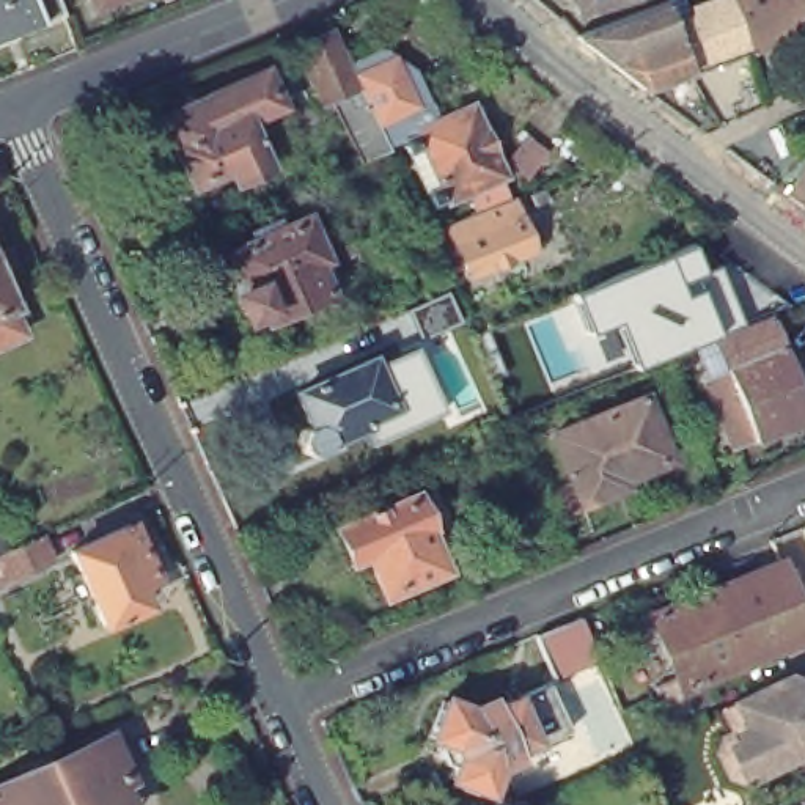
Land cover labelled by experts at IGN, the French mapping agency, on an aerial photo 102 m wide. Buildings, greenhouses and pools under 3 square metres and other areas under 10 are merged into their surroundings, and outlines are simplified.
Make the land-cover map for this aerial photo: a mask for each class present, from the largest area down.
<instances>
[{"label":"deciduous trees","instance_id":"1","mask_svg":"<svg viewBox=\"0 0 805 805\"><path fill-rule=\"evenodd\" d=\"M343 25L355 35L352 47L358 60H368L371 53L384 50L393 53L399 38L409 35V28L415 25V47L425 57L453 60L456 72L475 91H484L491 97L500 91L503 82L516 79L519 66L497 38H481L472 31V25L462 19L453 0H365L343 13ZM748 69L755 79V91L767 107L777 97L805 101V22L786 38H780L770 57H752ZM321 53V44H277L274 60L280 63V69L289 79H308L311 63ZM198 97L192 91H173L167 85L132 88L123 69L104 72L97 85H82L75 110L66 113L63 129L72 138V170L88 182V204L82 208V214H88L97 223L135 318L151 327V336L160 340V346H154L151 352L167 380V390H173L182 399H201L217 390L233 393L248 380L283 371L286 362L311 349L330 343L355 346L371 330H380V321L409 311L412 302H425L437 292H447L453 286L450 267L462 261L453 245L450 226L469 220L472 208H434L425 182L412 167V157L403 148H396L390 157L377 164H362L358 148L352 142L333 138L327 145L333 154L327 164H314L311 176L292 173L286 179L280 186L261 189H239L236 182H230L208 195H198L189 179L192 164L179 132L189 123L186 104ZM308 214L318 217L330 236L336 233L333 258L336 289L343 292V299L340 305L318 311L311 324H292L286 330L252 327L236 302V274L252 258L248 242L261 223H274L280 217L292 223ZM563 135L572 138V157L566 160L553 173H535L522 182V192L553 195L560 189L613 186V179H619L623 170L638 164L623 148L610 145L585 119L569 113L563 119ZM780 132L786 135V157L805 160V113L783 116ZM648 192L660 195V201L670 204L673 214L667 220L679 223L686 233L708 236H720V220L698 211L686 192H679L663 176H654L648 182ZM638 270L657 267L679 255L651 226L641 236L638 252L632 255ZM41 311L66 314L69 308L72 277L57 264H41L35 267ZM481 308L465 318V324L472 333H484L494 336L525 327V318L547 314L569 302L572 296L591 292L585 286V277L572 280L569 286H538L535 277L506 274L503 280H484L472 286ZM635 384L645 393L641 399H651L663 415L670 412L673 437L679 443L686 469L651 478L632 497V509L641 519L657 522L663 516H686L689 503H701L704 509H711L730 487L733 475L723 465L720 443V418H711L689 399L679 365L673 358L648 371H632L629 365L601 371L566 390H553L560 406L535 415L513 418L509 406L484 409V415L462 421L456 428L462 437L472 440L462 456L443 453L440 459H421L412 469H396L384 478L362 481L349 491L324 494L302 513H283L274 497L292 491L296 481L314 472L318 465L299 447L302 434L296 428H277L267 418L236 415L230 406H220L214 412V421H208L201 431V443L217 469V478L226 491V500L242 531L236 550L245 560L255 582L267 588L299 582L314 553L321 550V544H327L336 535L343 522L387 513L412 494H428L434 500L443 519V538L450 547L456 579L418 597L390 604L384 616L365 626H352L346 632L327 613L311 610L302 601L270 604L267 619L277 629V657L286 667L289 679L305 682L330 670L333 660H355L352 651L362 654L365 641L371 638L380 641L418 623H431L443 613L481 604L525 579L550 575L553 569L569 566L575 553L566 525V509L557 494L544 486L531 461L535 453L547 450V431H566L594 415L588 412L591 403L616 396ZM19 390L38 396V418H60V434H82L85 447L104 443L110 450V459H119L132 447L119 425V412L107 393L97 409L82 415L69 409L60 412L57 393H63V380L53 371L19 377ZM0 469L16 481L41 491L47 484L66 481V475L60 469L47 472L41 453L35 447H25V440L0 437ZM38 525V509L16 500H6L0 506V557L6 550L28 547L31 541L28 531ZM714 585V579L701 569L686 572L676 582H670L667 591L615 608L613 619L604 623V638L591 641L597 670L604 679L619 711L638 714L645 739L660 755H676L682 761V770H689L701 764L704 726L723 714L730 708L726 701L704 698L695 695L686 701H673L663 695L645 692L635 682L641 663H648L645 648L654 645L657 610L673 604L682 610H698L711 601ZM22 597L6 601L0 607V761L13 764L31 752H47L75 730L110 720L126 714H138L142 720L154 714L167 723H173L176 717L189 720L192 733L179 745L160 739L151 748V770L164 786L189 780L192 770L208 758L217 774H211L208 792L195 805H286L283 792L258 786L255 777L239 764V758L252 748L255 726L248 717L239 714V708L226 695L211 692V679L220 676V667L226 663L220 645L208 635V651L189 660L186 667H176L160 679L132 682L157 663L154 651L148 648V638L135 629H126L119 635L123 648L110 660V667L82 663L72 651H69V632H72V629L66 613L60 610L57 575L50 572L35 585H22ZM412 695L368 701L365 708H352L327 720L324 752L343 758L349 786H358L362 802L371 805H528L516 802L506 792L500 802L472 796L456 786L447 764L418 761L428 736L412 726V714L406 711V701ZM380 767H393L399 774L396 786L390 792L362 789L365 780L374 777V770ZM767 805H805V767L774 777L767 783ZM626 805H667L663 783L645 770L619 789Z\"/></svg>","mask_w":805,"mask_h":805},{"label":"building","instance_id":"2","mask_svg":"<svg viewBox=\"0 0 805 805\"><path fill-rule=\"evenodd\" d=\"M57 13H66V0H0V44L38 31L57 19ZM107 19L123 9L129 13L173 0H94ZM582 13L601 31L597 38H588L579 50L585 60L607 66V72L616 75L619 85L632 82L641 94H676V85H686L698 69H708V60H726L736 53L752 57H770L780 38H786L805 22V0H579ZM311 97L324 101V107L330 110L346 113L352 126V142L358 148L362 164H377L390 157L396 148H403L412 157V167L425 182L434 208H472L469 220L450 226L453 245L462 261L472 286L484 280H503L506 274L509 261H535L541 248L535 223L509 192L513 182H522L535 173H553L566 160L553 145L541 148L531 135L516 142V154H503V145L487 113L478 104H469L450 116L437 113L421 72L406 66L393 53L384 50L371 53L368 60H358L352 47L333 35H327V41L321 44V53L311 63L308 79ZM292 110L280 94L277 69H264L252 79L198 97L186 104L189 123L179 132L192 164L189 179L198 195H208L230 182H236L239 189H261L280 186L286 179L280 167L289 157V142L280 119ZM783 170V198L796 195L799 201H805V160L786 157H777ZM336 233L330 236L318 217L308 214L292 223L280 217L274 223H261L248 242L252 258L236 274V302L252 327L286 330L292 324H311L318 311L340 305L343 299V292L336 289L333 258ZM569 302L579 305L582 324L601 343L610 330L623 333V355L629 365L632 371H648L673 358L679 365L689 399L711 418H720V443L730 450H745L792 443L805 437V346L796 352L789 349L780 321L748 324L730 274L723 267H711L704 252L698 248L679 255L657 267L638 270L591 292L572 296ZM28 340V305L13 270V261H0V346L16 349ZM418 321V336L443 340V333L453 330L465 324V318L456 296L447 292H437L425 302H412L409 311ZM484 352L491 355L469 371L472 380L487 368H494L500 377L506 374L494 336L484 333ZM296 393L308 415V428L302 434L299 447L318 465L343 456L349 443L362 440L365 434H374L377 447H387L431 421H443L456 406L443 396L428 358L421 352H412L396 362L377 355L349 368L330 358L318 368L314 377H296ZM547 450L553 453L560 475L569 481L557 494L566 509L591 516L601 513L607 503L632 497L651 478L686 469L679 443L673 437L670 412L663 415L651 399H641L594 415L566 431H547ZM336 535L352 566L371 569L384 591V601L390 604L418 597L456 579L450 547L443 538V519L434 500L428 494H412L387 513L343 522ZM63 550L72 557V566L88 585L97 623H101V626H104V629H107L110 635H119L126 629H135L154 616L151 607L160 601V591L170 579L160 569V560L151 547L145 525H129L97 541L82 550L75 538H63ZM60 553L50 547V541H31L28 547L6 550L0 557V607L6 601L22 597V585H35L50 572L60 563ZM660 660L673 673V682L663 695L673 701H686L695 695L704 698L711 689L723 682L752 679L770 676L774 667H786V660L805 654V585L796 566L786 560L739 575L726 585H714L711 601L698 610H682L673 604L657 610L654 645ZM604 623H572L535 638L538 657L550 676H566L572 682L582 670H597L591 641L604 638ZM723 714L730 720V733L720 745V761L730 780L767 783L774 777L805 767V676H789L742 701L730 708ZM585 708L582 720L569 717L560 692L547 686L531 689L519 701H453L437 714L434 730L428 736L418 761L447 764L456 786L472 796L500 802L506 792L513 777L535 770L528 764L531 752H538L553 733H572L575 723L588 733V742L601 761H604L629 748L632 742L645 739L638 714L619 711L604 679L579 692ZM151 796L142 789L138 777H132V758L123 736L113 733L53 764L35 767L0 783V805H145Z\"/></svg>","mask_w":805,"mask_h":805},{"label":"impervious surface","instance_id":"3","mask_svg":"<svg viewBox=\"0 0 805 805\"><path fill-rule=\"evenodd\" d=\"M365 0H208L198 9L167 16L148 28L123 31L113 44L79 50H53L44 69L25 72L13 66L0 75V208L16 217L22 239L41 242V264H57L72 277L69 308L107 393L119 412V425L132 447L148 475V494L110 513L94 519V525H85L94 531L97 541L129 525H145L151 547L160 560V569L170 579L189 588V597L208 635L220 645L226 663L233 667L248 698L239 708V714L248 717L255 726L252 748L239 758V764L255 777L258 786L283 792L286 805H371L362 802L358 786H349L343 758L324 752L327 720L352 708H365L368 701L412 695L421 692V682H431L450 667H456L462 660L500 648L513 651L519 641L535 638L572 623H604L613 619L615 608L667 591L670 582H676L686 572L701 569L714 579V585H726L739 575L786 560L796 566L805 585V465L789 472H770L745 484V491L739 494H733L730 487L711 509H704L701 503H689L686 516H663L657 522L641 519L626 522L629 528L619 535L604 531V541L575 553L569 566L553 569L550 575L525 579L481 604L443 613L431 623H418L380 641L371 638L365 641L362 654L352 651L355 660H333L330 670L305 682L289 679L286 667L277 657V629L267 619L270 604L267 588L255 582L245 560L236 550L242 531L226 500V491L217 478V469L201 443V431L208 421H214V412L220 406H230L236 415L267 418L277 428H296L302 434L308 428V415L296 393V377H314L318 368L330 358L349 368L377 355L396 362L412 352H421L428 358L443 346L453 358L462 355L453 330L443 333V340L418 336V321L409 311L380 321V330H371L355 346L330 343L311 349L286 362L283 371L248 380L233 393L217 390L201 399H182L173 390H167V380L151 352L154 346H160V340L151 336V327L135 318L97 223L88 214H82V208L88 204V182L72 170V138L63 129L66 113L75 110L82 85H97L104 72L123 69L135 66L142 57L160 53L204 60H223L255 44H321L327 41V35H333L352 47L355 35L343 25V13ZM462 19L472 25V31L481 38H497L519 66L550 94L560 91L563 97H569V113L585 119L610 145L623 148L638 164L654 176H663L679 192H686L698 211L720 220V236H708L698 248L704 252L711 267H723L730 274L748 324L780 321L789 349L796 352L805 346V201H799L796 195L783 198V170L777 157H786V135L780 132L783 116L805 113V101L777 97L767 107L755 91V79L748 69L752 57L736 53L726 60H708V69H698L686 85H676V101L689 107L698 101V88H711L717 107L723 110V126L717 132H701L673 110H667L657 101V94H641L632 82L619 85L616 75L607 72V66L585 60L579 50L588 38L575 35L538 0H453ZM509 192L535 223L541 248L535 261H509L506 274L535 277L544 267L569 261L566 236L553 233V195L522 192V182H513ZM538 324H553L563 346L569 352H579L585 362L572 374L544 380L547 390H566L601 371L629 365L623 355V333L610 330L601 343L582 324L579 305L569 302L547 314L525 318V327L528 333ZM484 415V399L478 393L472 406H456L443 421L447 428H456L462 421ZM101 638H110V635L107 629H104V626H101V623H97V626H79V629H72V632H69V651H75V648H85V645H94V641H101ZM789 676H805V654L786 660V667H774L770 676L752 679L739 692L742 701ZM604 679L597 670H582L572 682L566 676H550L547 686L560 692L569 717L582 720L585 708L579 692ZM113 733L123 736L132 758V777H138L142 789L151 796L145 805H160L157 792L164 786L151 770V748L160 739L179 745L192 733L189 720L176 717L173 723H167L154 714L142 720L138 714H126L110 720ZM601 761L588 742V733L575 723L572 733H553L538 752H531L528 764L535 770L513 777L506 792L516 802L528 805H560V777H569Z\"/></svg>","mask_w":805,"mask_h":805},{"label":"herbaceous vegetation","instance_id":"4","mask_svg":"<svg viewBox=\"0 0 805 805\"><path fill-rule=\"evenodd\" d=\"M53 50H79L66 13H57V19L38 31L0 44V75L13 66L25 72L44 69ZM415 25L409 28V35L399 38L393 53L406 66L421 72L437 113L450 116L469 104H478L487 113L503 145V154H516V142L531 135L541 148L553 145L566 160L572 157V138L563 135V119L569 113V97H563L560 91L550 94L519 66L516 79L503 82L500 91L491 97L484 91H475L456 72L453 60L425 57L415 47ZM208 63L204 60L160 53L142 57L135 66L123 69L132 88L167 85L173 91H192L198 97L252 79L264 69H280V63L274 60H258L233 72H220L214 79H195L198 66ZM657 101L667 110H673L701 132H717L723 126V110L717 107L711 88H698V101L689 107L676 101V94H657ZM289 142V157L280 167L286 179L292 173L311 176L314 164H327L333 154L327 145L333 138L352 142V126L346 113L330 110L324 107V101L311 97L305 110H292L280 119ZM654 176L638 164L623 170L619 179H613V186L560 189L553 195V233L566 236L569 261L544 267L535 277L538 286H569L572 280L585 277V286L591 292L638 270L632 255L638 252L641 236L651 226L679 255L698 248L708 236L686 233L679 223L667 220L673 214L670 204L660 201V195L648 192V182ZM13 261V270L28 305V340L16 349L0 346V437L25 440V447H35L41 453L47 472L60 469L66 475V481L47 484L41 491L16 481L0 469V506L6 500H16L38 509V525L28 531L31 541H50V547L60 553L63 550V538H75L82 550L97 541L94 531L85 525H94V519L110 513L101 497L113 487L132 484V478L119 469V459H110V450L104 443L85 447L82 434H60V418H38V396L19 390V377L53 371L63 380V393H57L60 412L69 409L82 415L97 409L107 393L69 308L66 314L41 311L35 267L41 264V242L22 239L16 217L0 208V261ZM462 355L469 371L491 355L484 352V333H472L465 324L453 330ZM506 374L500 377L494 368H487L472 380L478 393L484 399V409L509 406L513 418L535 415L560 406L553 390H547L544 380L528 333L525 327L494 336ZM645 393L635 384L616 396L591 403L588 412L594 415L641 399ZM472 440L462 437L456 428H447L443 421H431L387 447H377L374 434H365L362 440L349 443L343 456L318 465L314 472L296 481L292 491L274 497L283 513H302L324 494L349 491L362 481L384 478L396 469H412L421 459H440L443 453L462 456ZM805 450V437L792 443L745 450V469ZM531 461L544 486L557 494L569 481L560 475L553 453L547 450L535 453ZM641 519L632 509V497L607 503L601 513L591 516L566 509V525L575 553L604 541V531L619 535L629 528L626 522ZM270 604L302 601L311 610L327 613L346 632L352 626H365L384 616L390 604L384 601V591L371 569L352 566L336 535L327 544H321V550L314 553L299 582L267 588ZM135 629L148 638V648L154 651L157 663L179 660L192 638L176 610L154 616ZM123 648L119 635H110V638H101V641H94V645H85V648H75V651H72L82 663L110 667V660ZM506 670H494L484 676L465 679L456 667H450L431 682H421V692L412 695L406 701V711L412 714V726L428 736L434 730L437 714L453 701H519L531 689L547 686L550 676L538 657L535 638L519 641L513 651L506 654ZM648 663H641L635 682L645 692L663 695L673 682V673L660 660L654 645L645 648ZM211 692L226 695L239 708L248 698L233 667L226 663L220 667V676L211 679ZM752 679L723 682L711 689L704 698L726 701L730 708L742 701L739 692ZM730 733V720L723 714L704 726L701 764L689 770H682V761L676 755H660L645 739L632 742L629 748L604 761L610 764V770H626L635 761L645 770L663 783L667 805H767V783L730 780L720 761V745ZM113 733L110 720L75 730L47 752H31L13 764L0 761V783L35 767L53 764ZM211 774H217L208 758L192 770L189 780L164 786L157 792L160 805H195L208 792ZM399 774L393 767H380L374 770V777L365 780L362 789L390 792L396 786ZM560 805H626L619 789L610 786L607 777H591L560 789Z\"/></svg>","mask_w":805,"mask_h":805},{"label":"brushwood","instance_id":"5","mask_svg":"<svg viewBox=\"0 0 805 805\"><path fill-rule=\"evenodd\" d=\"M208 0H173L129 13L123 9L107 19L94 0H66V13L79 50L113 44L123 31L148 28L167 16L198 9ZM277 44H255L223 60H204L208 63L198 66L195 79H214L220 72H233L258 60H274ZM453 286L447 292L456 296L465 318L481 308L472 286L462 261L450 267ZM745 450H730L720 443L723 465L733 475L730 487L733 494H739L745 491V484L770 472H789L805 465V450L745 469ZM119 469L132 478V484L113 487L101 497L110 513L148 494V475L132 447L119 459ZM513 651L500 648L462 660L456 667L465 679L484 676L494 670H506V654ZM645 770L635 761L626 770H610V764L604 761H601L569 777H560V789L591 777H607L610 786L619 789Z\"/></svg>","mask_w":805,"mask_h":805},{"label":"pervious surface","instance_id":"6","mask_svg":"<svg viewBox=\"0 0 805 805\"><path fill-rule=\"evenodd\" d=\"M575 35L588 38H597L601 31L582 13L579 0H538ZM60 563L50 572L57 575L60 610L66 613L72 629H79V626H97V623L88 585L72 566V557L63 550L60 553ZM176 610L192 638L179 660L157 663L132 682L160 679L176 667H186L189 660L208 651V635L189 597V588L170 579L160 591V601L151 607L154 616Z\"/></svg>","mask_w":805,"mask_h":805},{"label":"swimming pool","instance_id":"7","mask_svg":"<svg viewBox=\"0 0 805 805\"><path fill-rule=\"evenodd\" d=\"M280 94L292 110H305L311 97L308 79H289L280 69H277ZM544 380L572 374L585 362L579 352H569L563 346L553 324H538L528 333ZM443 396L456 406H472L478 393L472 380L469 371L462 355L453 358L443 346L428 358Z\"/></svg>","mask_w":805,"mask_h":805}]
</instances>
